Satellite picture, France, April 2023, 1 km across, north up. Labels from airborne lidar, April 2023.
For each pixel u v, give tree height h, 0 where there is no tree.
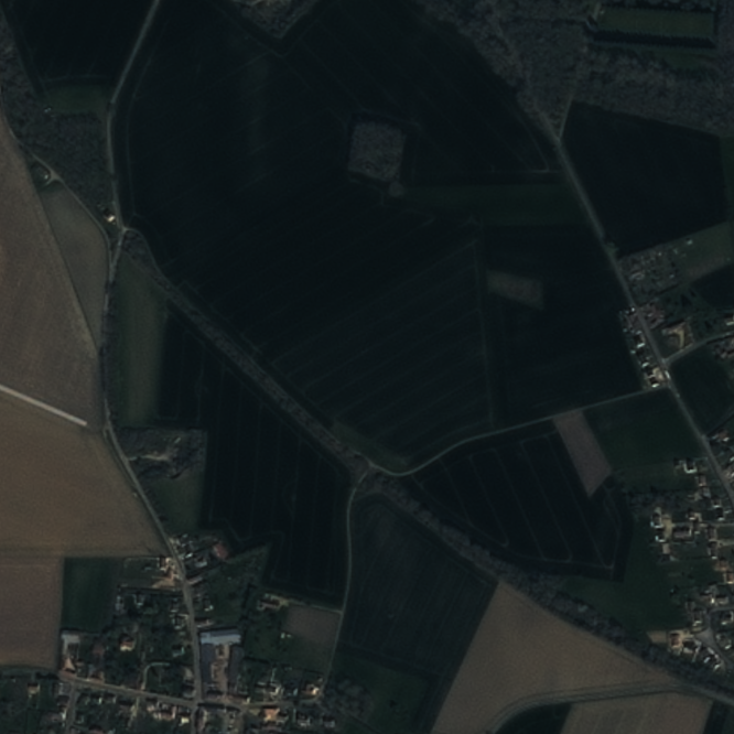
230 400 0
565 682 0
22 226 0
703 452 0
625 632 15
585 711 0
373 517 0
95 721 8
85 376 0
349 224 0
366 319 0
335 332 0
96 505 0
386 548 0
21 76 14
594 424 0
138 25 0
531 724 0
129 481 0
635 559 0
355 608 0
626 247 0
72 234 0
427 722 0
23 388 0
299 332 0
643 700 0
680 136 0
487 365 0
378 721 0
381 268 0
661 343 0
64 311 0
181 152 0
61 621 0
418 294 0
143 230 0
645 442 0
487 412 0
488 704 0
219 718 5
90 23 0
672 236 0
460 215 0
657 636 0
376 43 0
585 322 0
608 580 0
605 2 21
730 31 24
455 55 0
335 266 0
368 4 0
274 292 0
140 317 0
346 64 0
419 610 0
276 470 0
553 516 0
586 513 0
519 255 0
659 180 0
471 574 0
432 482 0
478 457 0
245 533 0
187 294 0
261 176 0
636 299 6
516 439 0
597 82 19
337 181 0
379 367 0
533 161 0
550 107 24
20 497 0
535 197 0
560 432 0
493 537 0
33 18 0
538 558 0
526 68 17
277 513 0
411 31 0
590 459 0
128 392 0
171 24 0
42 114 11
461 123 0
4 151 0
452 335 0
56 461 0
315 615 0
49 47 0
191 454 9
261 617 10
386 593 0
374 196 0
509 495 0
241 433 0
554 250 0
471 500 0
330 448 8
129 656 0
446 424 0
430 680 0
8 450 0
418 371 0
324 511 0
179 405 0
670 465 0
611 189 0
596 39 28
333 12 0
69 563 0
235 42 0
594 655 0
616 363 0
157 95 0
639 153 0
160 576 0
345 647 0
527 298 0
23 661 0
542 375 0
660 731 0
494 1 34
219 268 0
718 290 0
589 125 0
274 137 0
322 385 0
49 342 0
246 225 0
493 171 0
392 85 0
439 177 0
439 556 0
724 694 11
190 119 0
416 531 0
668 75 23
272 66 0
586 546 0
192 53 0
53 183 0
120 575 0
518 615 0
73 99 0
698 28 0
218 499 0
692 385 0
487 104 0
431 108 0
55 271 0
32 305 0
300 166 0
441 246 0
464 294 0
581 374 0
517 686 0
